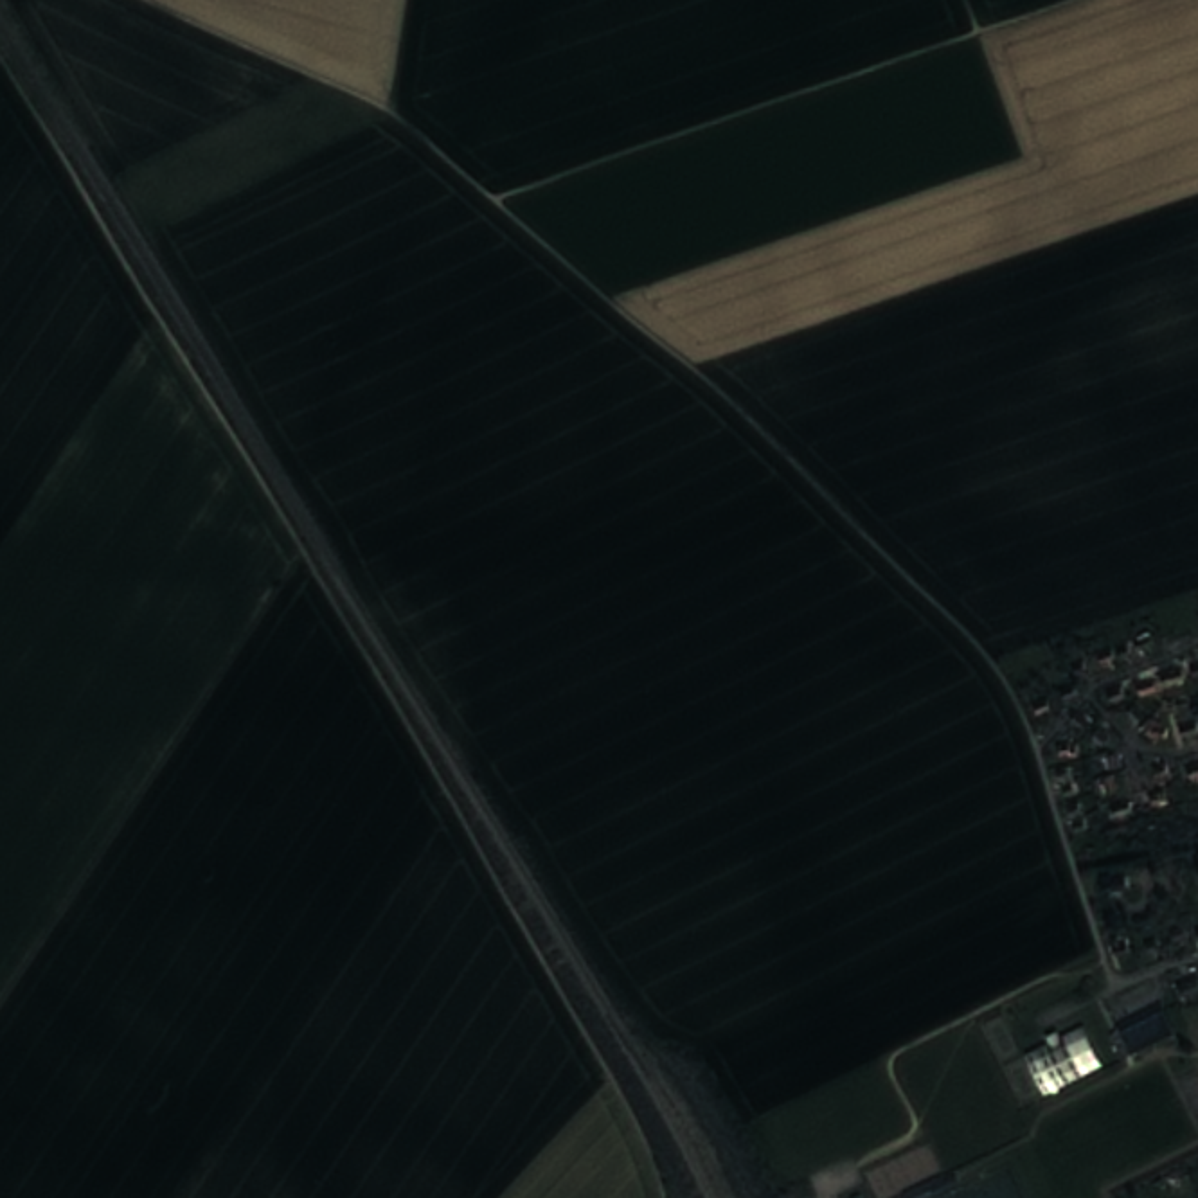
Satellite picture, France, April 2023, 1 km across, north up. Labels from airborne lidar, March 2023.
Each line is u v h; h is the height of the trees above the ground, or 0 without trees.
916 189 0
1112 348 0
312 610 0
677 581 0
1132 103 0
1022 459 0
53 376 0
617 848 0
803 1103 0
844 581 0
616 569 0
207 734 0
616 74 0
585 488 0
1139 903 0
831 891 0
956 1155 0
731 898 0
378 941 0
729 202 0
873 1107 0
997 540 0
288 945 0
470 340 0
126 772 0
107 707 0
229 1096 0
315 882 0
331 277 0
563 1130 0
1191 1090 0
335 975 0
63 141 0
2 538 0
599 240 0
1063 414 0
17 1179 0
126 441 0
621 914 0
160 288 0
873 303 0
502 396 0
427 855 0
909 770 0
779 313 0
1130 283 0
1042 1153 0
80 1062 0
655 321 0
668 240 0
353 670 0
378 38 0
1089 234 0
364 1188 0
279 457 0
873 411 0
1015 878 0
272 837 0
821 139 0
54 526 0
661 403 0
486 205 0
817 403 0
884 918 0
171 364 0
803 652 0
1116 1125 0
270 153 0
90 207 0
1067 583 0
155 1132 0
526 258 0
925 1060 0
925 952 0
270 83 0
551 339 0
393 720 0
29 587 0
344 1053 0
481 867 0
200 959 0
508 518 0
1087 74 0
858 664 0
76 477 0
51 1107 0
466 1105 0
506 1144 0
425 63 0
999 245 0
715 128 0
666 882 0
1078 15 0
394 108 0
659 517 0
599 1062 0
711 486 0
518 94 0
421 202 0
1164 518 0
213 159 0
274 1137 0
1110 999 0
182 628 0
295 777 0
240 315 0
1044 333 0
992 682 0
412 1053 0
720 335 0
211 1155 0
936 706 0
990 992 0
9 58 0
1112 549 0
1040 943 0
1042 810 0
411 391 0
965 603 0
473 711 0
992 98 0
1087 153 0
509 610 0
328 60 0
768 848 0
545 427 0
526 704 0
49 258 0
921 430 0
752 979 0
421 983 0
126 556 0
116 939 0
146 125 0
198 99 0
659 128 0
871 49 0
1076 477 0
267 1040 0
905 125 0
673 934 0
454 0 0
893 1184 0
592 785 0
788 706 0
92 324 0
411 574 0
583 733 0
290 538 0
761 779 0
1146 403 0
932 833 0
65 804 0
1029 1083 0
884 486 0
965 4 0
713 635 0
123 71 0
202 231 0
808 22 0
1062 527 0
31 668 0
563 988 0
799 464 0
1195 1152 0
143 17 0
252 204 0
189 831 0
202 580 0
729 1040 0
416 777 0
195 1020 0
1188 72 0
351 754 0
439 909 0
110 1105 0
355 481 0
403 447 0
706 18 0
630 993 0
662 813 0
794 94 0
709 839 0
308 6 0
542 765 0
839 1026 0
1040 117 0
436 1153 0
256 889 0
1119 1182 0
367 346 0
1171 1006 0
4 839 0
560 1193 0
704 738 0
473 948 0
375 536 0
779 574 0
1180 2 0
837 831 0
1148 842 6
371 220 0
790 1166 0
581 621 0
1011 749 0
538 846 0
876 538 0
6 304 0
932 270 0
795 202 0
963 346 0
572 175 0
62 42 0
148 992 0
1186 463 0
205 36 0
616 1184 0
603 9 0
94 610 0
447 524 0
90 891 0
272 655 0
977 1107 0
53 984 0
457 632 0
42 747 0
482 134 0
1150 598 0
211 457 0
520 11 0
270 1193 0
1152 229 0
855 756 0
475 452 0
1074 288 0
